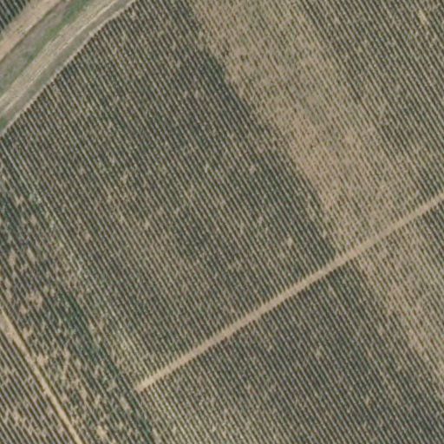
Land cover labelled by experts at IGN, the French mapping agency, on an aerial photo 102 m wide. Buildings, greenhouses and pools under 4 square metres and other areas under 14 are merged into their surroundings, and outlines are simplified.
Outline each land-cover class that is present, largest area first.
<instances>
[{"label":"vineyard","instance_id":"1","mask_svg":"<svg viewBox=\"0 0 444 444\"><path fill-rule=\"evenodd\" d=\"M31 0H0V40L3 29L23 12ZM0 444H444V0H137L120 17L109 21L97 35L88 40L85 49L76 55L69 66L62 69L55 82L47 85L42 95L33 102V106L21 114L5 137L0 139Z\"/></svg>","mask_w":444,"mask_h":444},{"label":"herbaceous vegetation","instance_id":"2","mask_svg":"<svg viewBox=\"0 0 444 444\"><path fill-rule=\"evenodd\" d=\"M94 0H31L23 12L3 29L0 40V95L23 75L29 64L42 52L43 47L50 40H54L66 24L73 23L88 3ZM137 0H120L97 21L83 29L82 35L76 36L68 49L57 55V59L43 71L40 78L29 87L28 92L16 102V106L10 109L9 113L0 108V139L5 137L21 114L33 106V102L42 95L47 85L55 82L62 69L69 66L76 55L85 49L88 40L97 35L109 21L120 17Z\"/></svg>","mask_w":444,"mask_h":444},{"label":"pervious surface","instance_id":"3","mask_svg":"<svg viewBox=\"0 0 444 444\"><path fill-rule=\"evenodd\" d=\"M120 0H94L88 3L73 23L66 24L54 40H50L43 47L42 52L29 64L23 75L0 95V108L9 113L10 109L16 106V102L28 92L29 87L40 78L43 71L57 59V55L68 49L76 36L82 35L83 29L97 21Z\"/></svg>","mask_w":444,"mask_h":444}]
</instances>
